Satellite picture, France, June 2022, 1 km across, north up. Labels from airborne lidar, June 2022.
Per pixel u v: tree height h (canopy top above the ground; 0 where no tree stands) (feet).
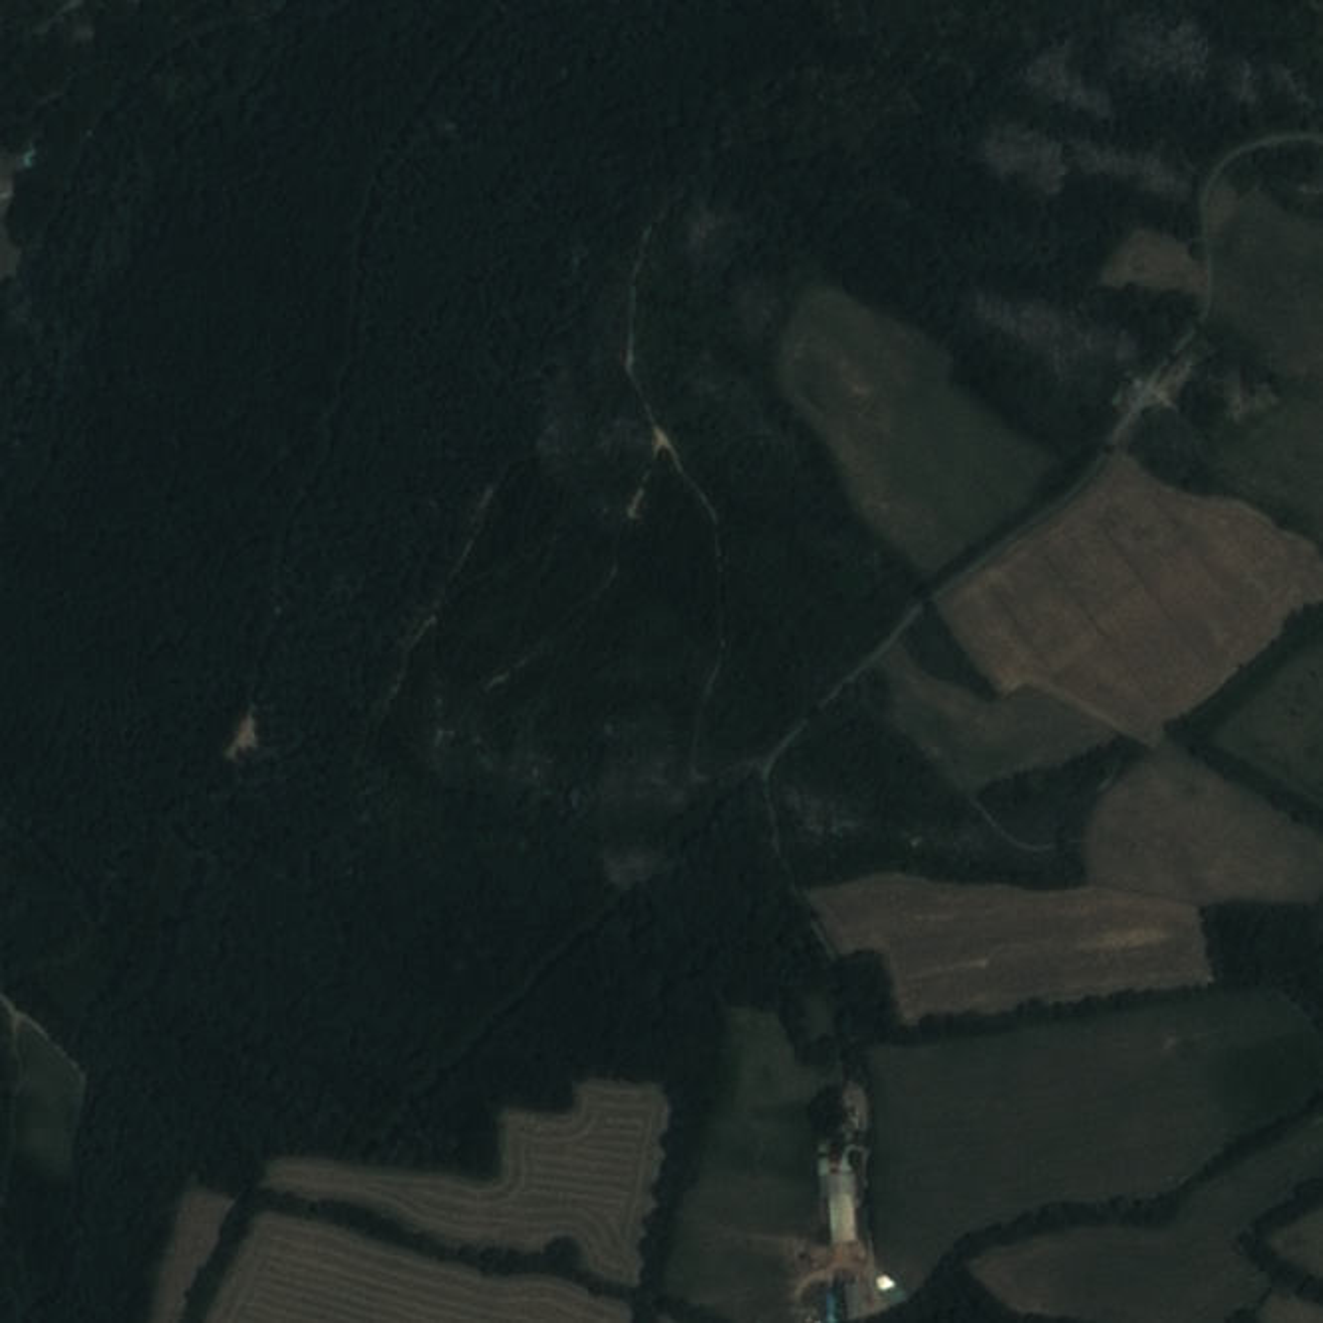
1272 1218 42
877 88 71
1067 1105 0
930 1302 33
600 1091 0
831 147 64
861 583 0
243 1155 47
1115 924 0
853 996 60
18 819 80
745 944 64
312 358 91
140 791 82
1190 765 0
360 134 92
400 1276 0
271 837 114
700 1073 32
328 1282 0
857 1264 0
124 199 93
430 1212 0
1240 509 0
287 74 103
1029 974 0
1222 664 0
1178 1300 0
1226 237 0
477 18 102
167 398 100
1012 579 0
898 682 0
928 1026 47
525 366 38
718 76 91
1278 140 0
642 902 52
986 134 29
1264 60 29
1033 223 37
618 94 95
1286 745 0
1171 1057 0
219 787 97
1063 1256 0
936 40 66
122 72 98
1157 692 0
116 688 75
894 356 0
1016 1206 0
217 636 95
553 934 58
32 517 89
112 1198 63
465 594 24
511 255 91
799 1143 0
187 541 92
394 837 81
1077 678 0
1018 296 20
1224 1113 0
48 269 78
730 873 54
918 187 72
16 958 44
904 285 37
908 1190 0
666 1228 47
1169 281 0
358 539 84
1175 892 0
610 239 58
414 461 98
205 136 100
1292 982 37
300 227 101
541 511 21
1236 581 0
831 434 0
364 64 99
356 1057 83
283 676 78
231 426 71
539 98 106
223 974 88
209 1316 0
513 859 72
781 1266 0
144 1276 39
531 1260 41
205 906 79
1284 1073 0
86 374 71
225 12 65
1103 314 25
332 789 96
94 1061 55
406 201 83
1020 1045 0
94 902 26
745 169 72
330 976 79
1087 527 0
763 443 25
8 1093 31
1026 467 0
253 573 90
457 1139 57
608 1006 78
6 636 81
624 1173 0
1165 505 0
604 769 22
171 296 101
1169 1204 27
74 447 86
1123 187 41
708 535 20
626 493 19
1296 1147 0
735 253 27
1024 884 31
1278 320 0
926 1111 0
